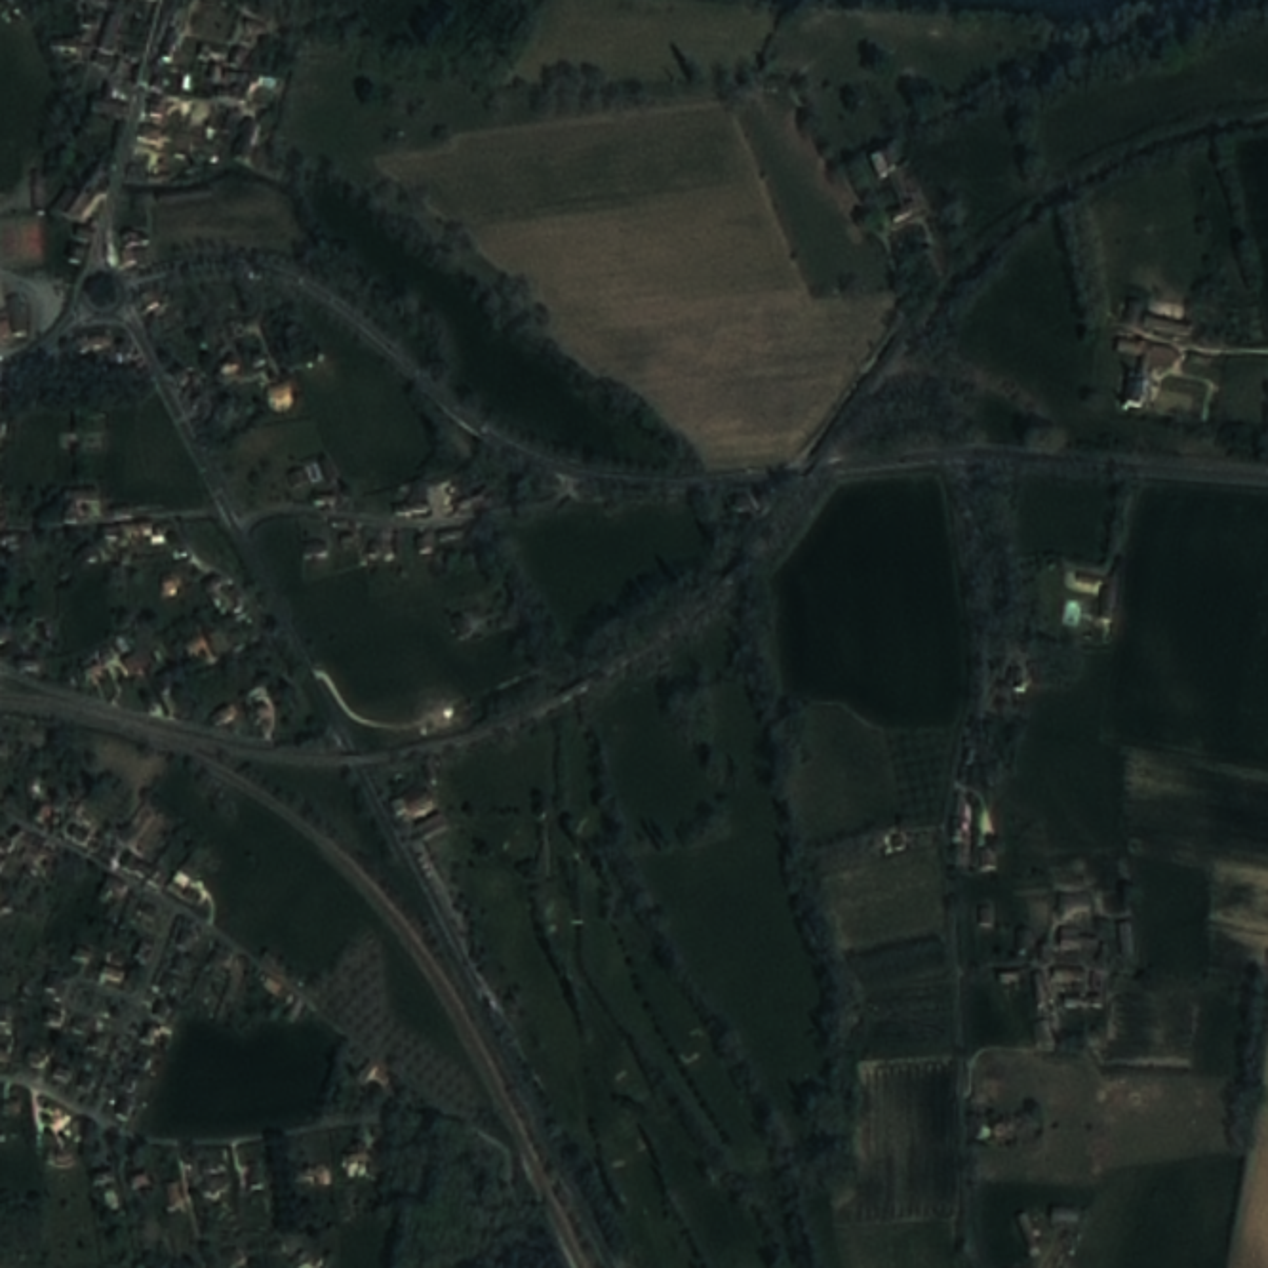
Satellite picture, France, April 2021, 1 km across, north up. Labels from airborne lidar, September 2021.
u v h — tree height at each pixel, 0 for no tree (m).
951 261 9
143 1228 9
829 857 13
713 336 0
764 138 0
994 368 0
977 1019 0
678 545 0
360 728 0
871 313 0
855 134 0
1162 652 0
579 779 0
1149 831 0
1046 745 0
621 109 18
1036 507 0
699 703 27
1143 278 0
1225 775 0
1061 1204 0
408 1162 18
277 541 0
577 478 0
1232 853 0
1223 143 18
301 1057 0
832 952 33
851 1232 0
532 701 22
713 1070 0
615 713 0
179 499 0
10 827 10
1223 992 0
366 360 0
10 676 0
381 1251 0
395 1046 8
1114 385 0
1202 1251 0
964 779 6
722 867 0
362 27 12
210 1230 12
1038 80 14
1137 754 0
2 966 8
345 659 0
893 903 0
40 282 0
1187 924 0
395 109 12
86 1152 12
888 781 0
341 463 0
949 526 0
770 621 32
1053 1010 0
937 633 0
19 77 0
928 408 23
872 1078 0
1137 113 0
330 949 0
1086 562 12
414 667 0
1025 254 0
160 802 9
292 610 0
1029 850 0
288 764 0
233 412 14
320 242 17
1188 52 24
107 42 0
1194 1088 0
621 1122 0
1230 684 0
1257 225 0
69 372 18
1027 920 0
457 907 6
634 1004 0
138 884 0
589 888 0
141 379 22
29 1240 19
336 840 15
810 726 25
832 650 0
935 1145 0
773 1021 0
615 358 0
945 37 0
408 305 30
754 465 0
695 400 0
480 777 0
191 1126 0
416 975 0
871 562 0
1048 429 11
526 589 22
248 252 7
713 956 0
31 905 7
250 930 0
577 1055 0
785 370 0
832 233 0
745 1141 0
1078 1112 0
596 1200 29
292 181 15
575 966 7
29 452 0
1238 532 0
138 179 14
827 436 8
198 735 0
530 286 13
